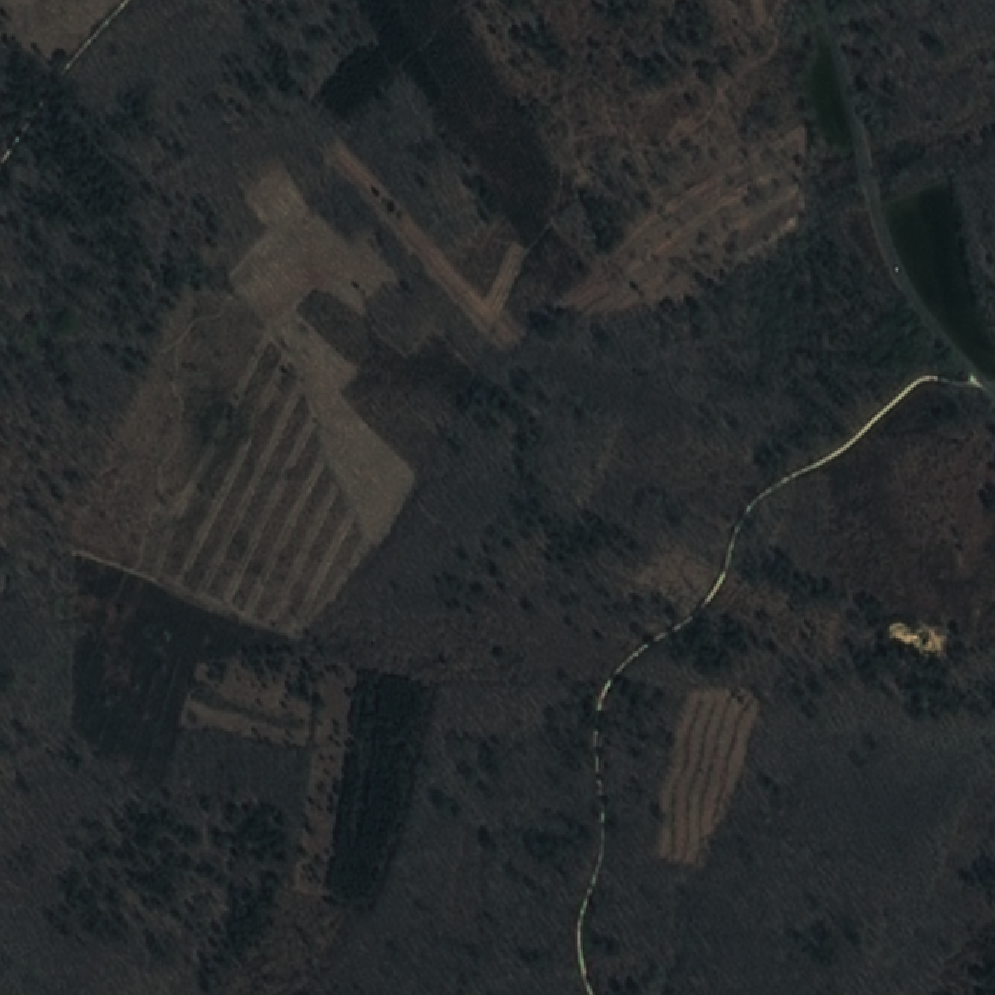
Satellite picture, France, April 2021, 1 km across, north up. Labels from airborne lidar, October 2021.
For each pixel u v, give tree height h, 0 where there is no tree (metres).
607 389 12
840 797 20
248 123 20
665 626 15
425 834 13
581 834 15
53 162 20
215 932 13
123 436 13
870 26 13
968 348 0
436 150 18
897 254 0
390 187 17
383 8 10
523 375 12
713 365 18
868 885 16
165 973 15
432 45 6
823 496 7
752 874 17
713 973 18
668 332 26
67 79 13
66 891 20
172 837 16
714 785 0
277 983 14
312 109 13
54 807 18
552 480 19
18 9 0
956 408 14
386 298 14
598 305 0
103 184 20
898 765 18
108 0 0
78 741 13
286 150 14
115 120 16
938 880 17
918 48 13
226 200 13
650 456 9
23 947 19
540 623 9
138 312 22
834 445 17
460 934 7
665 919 20
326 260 0
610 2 15
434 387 12
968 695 15
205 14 15
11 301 21
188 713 0
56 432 14
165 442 15
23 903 16
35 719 13
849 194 16
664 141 13
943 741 15
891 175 8
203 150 17
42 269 22
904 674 14
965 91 12
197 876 15
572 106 8
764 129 12
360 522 0
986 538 0
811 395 18
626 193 17
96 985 19
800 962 17
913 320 14
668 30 11
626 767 10
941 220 0
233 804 10
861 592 6
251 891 19
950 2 17
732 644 22
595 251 8
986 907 6
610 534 16
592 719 17
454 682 6
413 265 14
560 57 22
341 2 11
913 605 0
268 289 0
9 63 11
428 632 8
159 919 16
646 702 11
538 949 15
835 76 0
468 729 15
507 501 15
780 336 18
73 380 19
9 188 18
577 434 16
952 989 10
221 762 11
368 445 0
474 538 12
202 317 16
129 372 19
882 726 17
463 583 9
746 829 14
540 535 18
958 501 8
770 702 16
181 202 18
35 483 14
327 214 14
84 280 22
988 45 15
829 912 17
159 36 15
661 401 10
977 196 17
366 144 18
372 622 8
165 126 10
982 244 16
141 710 6
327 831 0
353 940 14
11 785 12
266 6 16
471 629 6
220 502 11
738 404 17
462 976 17
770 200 17
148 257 15
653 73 18
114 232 14
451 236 17
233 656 10
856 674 14
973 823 8
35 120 13
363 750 6
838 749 17
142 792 15
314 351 0
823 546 7
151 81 16
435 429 9
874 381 14
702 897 18
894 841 17
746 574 14
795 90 17
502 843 17
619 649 7
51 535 14
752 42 11
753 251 0
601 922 15
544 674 11
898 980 15
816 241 20
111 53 16
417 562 9
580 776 17
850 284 17
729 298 16
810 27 25
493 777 29
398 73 12
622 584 14
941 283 0
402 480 0
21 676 15
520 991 16
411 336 14
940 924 14
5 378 16
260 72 18
